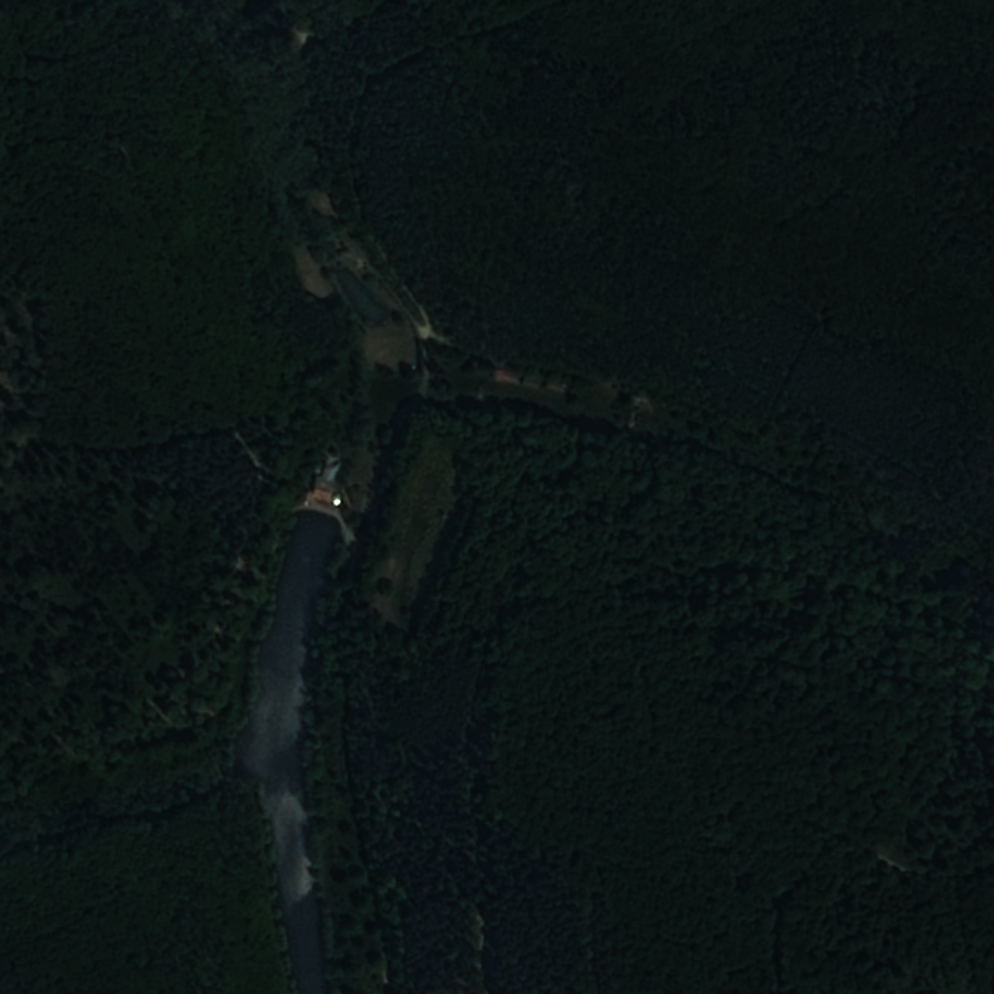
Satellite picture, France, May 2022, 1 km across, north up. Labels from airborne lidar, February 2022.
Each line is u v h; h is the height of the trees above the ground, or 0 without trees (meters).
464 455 24
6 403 29
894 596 34
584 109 24
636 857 26
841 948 20
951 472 20
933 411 17
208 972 21
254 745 0
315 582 0
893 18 21
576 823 25
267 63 22
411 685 11
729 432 21
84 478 31
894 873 12
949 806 37
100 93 18
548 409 0
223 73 18
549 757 29
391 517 16
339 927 22
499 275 18
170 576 12
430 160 20
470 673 10
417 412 27
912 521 11
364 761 36
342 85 21
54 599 0
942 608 25
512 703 27
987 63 15
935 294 15
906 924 8
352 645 24
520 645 27
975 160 17
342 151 13
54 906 29
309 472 11
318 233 24
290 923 0
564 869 28
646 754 26
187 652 12
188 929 15
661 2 25
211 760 17
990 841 34
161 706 31
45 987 19
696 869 26
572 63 21
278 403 26
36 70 21
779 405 16
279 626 0
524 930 32
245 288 20
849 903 19
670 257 15
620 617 28
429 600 24
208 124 16
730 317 18
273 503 30
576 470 32
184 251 17
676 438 17
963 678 38
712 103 23
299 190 17
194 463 32
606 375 17
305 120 24
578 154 18
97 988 16
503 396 0
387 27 21
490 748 34
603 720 23
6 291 29
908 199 15
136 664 11
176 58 16
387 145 24
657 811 23
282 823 0
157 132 13
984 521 22
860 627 38
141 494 34
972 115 18
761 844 30
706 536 33
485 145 17
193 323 17
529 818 26
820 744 26
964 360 16
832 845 25
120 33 16
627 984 26
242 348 21
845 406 19
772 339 18
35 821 21
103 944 20
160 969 19
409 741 11
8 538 10
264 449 32
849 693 33
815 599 38
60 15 28
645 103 19
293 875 0
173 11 20
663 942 23
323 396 21
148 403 19
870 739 29
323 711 16
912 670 36
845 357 16
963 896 10
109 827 27
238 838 18
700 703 28
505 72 20
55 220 17
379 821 32
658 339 18
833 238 15
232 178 16
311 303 18
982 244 22
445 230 18
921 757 34
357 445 20
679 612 23
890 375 19
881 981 24
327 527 0
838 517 30
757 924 26
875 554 19
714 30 21
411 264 15
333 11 28
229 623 30
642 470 31
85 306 17
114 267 15
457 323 18
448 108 21
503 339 17
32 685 30
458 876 34
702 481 31
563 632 25
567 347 21
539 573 30
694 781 27
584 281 20
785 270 17
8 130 27
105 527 9
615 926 26
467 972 23
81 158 17
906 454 18
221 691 27
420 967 35
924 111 21
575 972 30
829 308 15
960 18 17
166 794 22
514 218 14
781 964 20
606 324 20
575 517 30
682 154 14
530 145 13
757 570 39
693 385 12
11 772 33
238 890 18
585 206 16
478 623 13
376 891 13
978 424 19
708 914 26
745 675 27
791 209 12
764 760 28
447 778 36
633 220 18
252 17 27
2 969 22
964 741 37
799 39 19
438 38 20
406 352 0
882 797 32
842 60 22
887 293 16
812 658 31
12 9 22
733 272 18
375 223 16
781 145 15
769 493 28
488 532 29
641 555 29
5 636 8
